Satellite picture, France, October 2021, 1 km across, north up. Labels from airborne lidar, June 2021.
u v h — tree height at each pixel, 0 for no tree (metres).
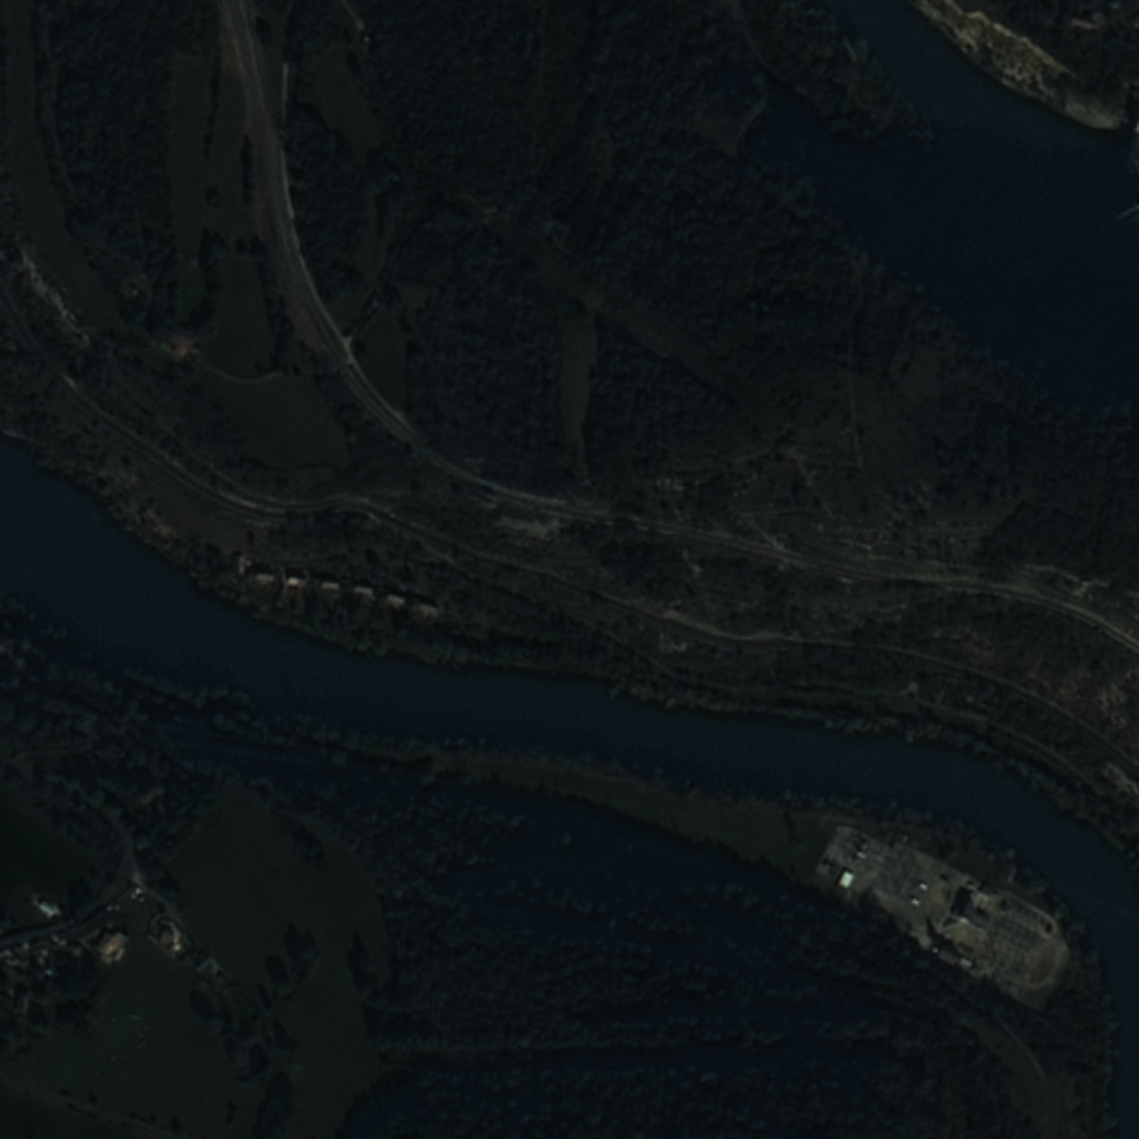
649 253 11
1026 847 0
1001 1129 7
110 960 0
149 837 14
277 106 0
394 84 11
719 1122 10
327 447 0
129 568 0
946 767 0
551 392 9
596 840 21
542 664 10
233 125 0
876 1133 12
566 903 14
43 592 0
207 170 0
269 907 0
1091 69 14
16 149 0
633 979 9
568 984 9
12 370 14
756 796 14
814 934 17
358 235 17
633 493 10
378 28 18
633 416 13
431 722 0
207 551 8
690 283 17
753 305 12
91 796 17
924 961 15
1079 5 9
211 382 0
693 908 12
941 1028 11
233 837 0
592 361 0
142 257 8
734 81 15
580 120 0
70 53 12
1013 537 12
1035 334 17
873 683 21
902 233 20
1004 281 17
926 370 0
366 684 0
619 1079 13
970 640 8
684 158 10
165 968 0
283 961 0
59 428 7
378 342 0
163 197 14
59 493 0
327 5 20
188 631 0
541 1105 20
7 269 8
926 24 0
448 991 9
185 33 16
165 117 14
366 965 15
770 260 13
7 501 0
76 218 9
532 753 18
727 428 11
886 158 20
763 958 17
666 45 21
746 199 16
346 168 19
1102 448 12
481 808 18
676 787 18
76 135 10
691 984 12
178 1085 0
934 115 0
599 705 0
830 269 14
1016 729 8
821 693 10
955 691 8
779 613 7
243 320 0
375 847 15
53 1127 0
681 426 11
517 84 12
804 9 11
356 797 23
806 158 9
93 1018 17
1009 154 0
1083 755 6
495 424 10
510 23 16
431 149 19
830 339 10
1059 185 0
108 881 9
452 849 18
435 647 23
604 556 14
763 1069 15
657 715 0
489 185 12
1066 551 11
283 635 0
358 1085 0
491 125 14
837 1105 15
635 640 6
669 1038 8
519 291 7
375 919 0
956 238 11
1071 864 0
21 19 0
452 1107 20
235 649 0
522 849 14
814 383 0
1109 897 0
